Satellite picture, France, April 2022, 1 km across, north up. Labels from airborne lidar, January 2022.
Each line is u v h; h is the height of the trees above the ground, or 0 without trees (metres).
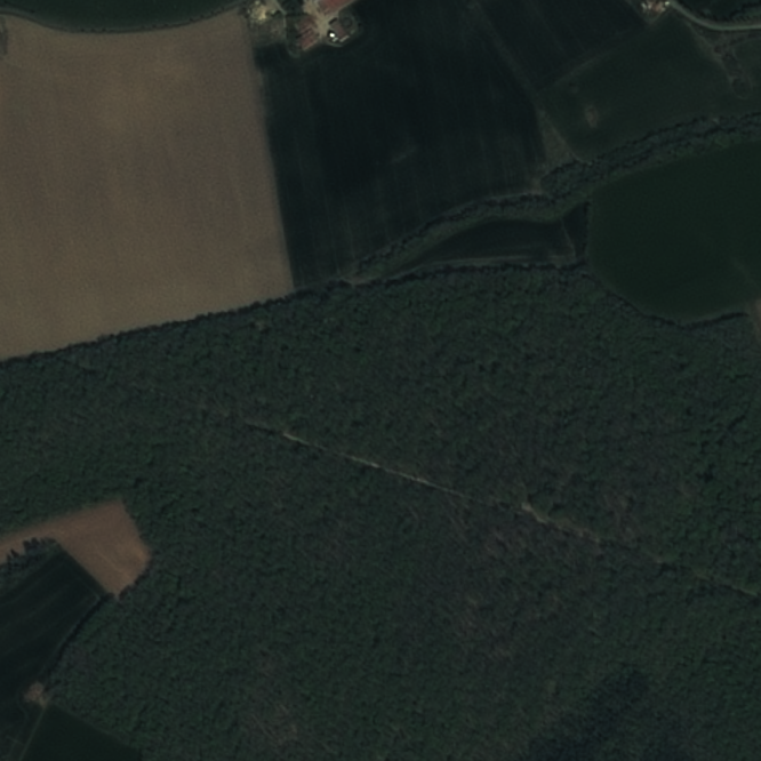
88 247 0
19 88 0
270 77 0
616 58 0
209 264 0
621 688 23
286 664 26
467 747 27
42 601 0
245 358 24
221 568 21
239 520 21
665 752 20
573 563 28
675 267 0
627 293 0
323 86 0
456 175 0
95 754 0
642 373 23
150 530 19
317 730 21
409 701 24
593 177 6
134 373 23
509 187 0
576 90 9
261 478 22
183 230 0
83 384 25
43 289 0
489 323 24
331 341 24
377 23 0
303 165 0
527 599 26
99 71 0
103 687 18
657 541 22
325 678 26
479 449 23
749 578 23
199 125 0
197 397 24
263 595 26
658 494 28
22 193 0
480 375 28
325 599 27
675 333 19
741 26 0
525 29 0
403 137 0
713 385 22
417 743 25
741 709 20
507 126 0
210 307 0
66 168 0
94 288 0
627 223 0
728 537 25
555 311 23
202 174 0
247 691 19
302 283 0
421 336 24
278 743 25
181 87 0
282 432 23
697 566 23
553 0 0
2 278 0
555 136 0
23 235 0
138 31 0
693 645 22
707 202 0
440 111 0
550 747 21
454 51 0
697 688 23
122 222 0
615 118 0
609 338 18
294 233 0
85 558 0
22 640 0
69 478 21
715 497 25
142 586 15
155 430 23
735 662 22
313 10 0
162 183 0
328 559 28
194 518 22
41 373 21
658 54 0
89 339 0
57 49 0
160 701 23
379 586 23
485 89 0
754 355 21
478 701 24
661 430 28
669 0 0
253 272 0
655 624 24
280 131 0
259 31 0
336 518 24
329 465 26
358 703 25
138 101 0
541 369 27
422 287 19
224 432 24
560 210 14
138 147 0
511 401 25
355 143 0
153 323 0
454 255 0
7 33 0
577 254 0
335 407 27
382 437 26
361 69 0
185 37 0
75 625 0
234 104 0
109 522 0
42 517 19
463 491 25
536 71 0
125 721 0
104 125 0
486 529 27
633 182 0
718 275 0
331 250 0
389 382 26
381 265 15
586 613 26
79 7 0
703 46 0
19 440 23
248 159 0
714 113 0
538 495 23
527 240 0
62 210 0
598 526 26
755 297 0
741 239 0
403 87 0
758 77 0
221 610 20
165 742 21
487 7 0
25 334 0
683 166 0
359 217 0
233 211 0
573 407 27
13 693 0
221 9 0
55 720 0
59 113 0
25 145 0
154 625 24
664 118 0
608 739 21
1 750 0
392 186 0
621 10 0
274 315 23
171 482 23
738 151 0
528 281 19
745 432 20
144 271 0
